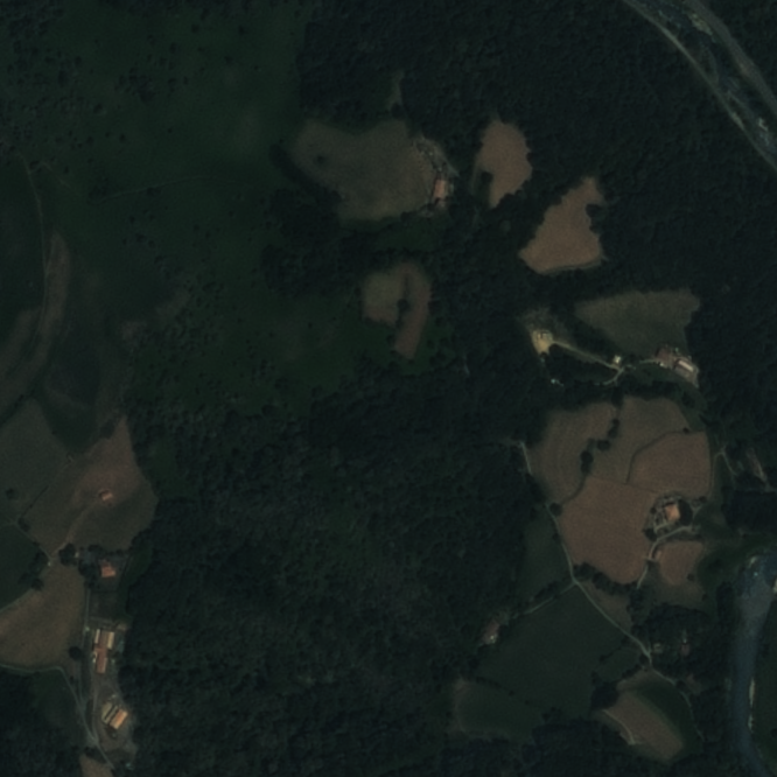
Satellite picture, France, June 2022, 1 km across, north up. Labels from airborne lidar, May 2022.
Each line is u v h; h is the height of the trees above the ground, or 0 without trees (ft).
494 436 87
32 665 0
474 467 54
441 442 63
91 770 0
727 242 75
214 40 0
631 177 56
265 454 67
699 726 25
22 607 0
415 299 0
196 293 26
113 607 0
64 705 0
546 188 30
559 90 67
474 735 0
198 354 31
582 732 89
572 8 89
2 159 31
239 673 84
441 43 49
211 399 0
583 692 0
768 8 38
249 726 62
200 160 0
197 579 103
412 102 66
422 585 36
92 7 0
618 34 93
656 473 0
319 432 70
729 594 86
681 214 41
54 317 0
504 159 0
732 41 0
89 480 0
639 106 66
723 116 52
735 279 40
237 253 0
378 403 97
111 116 0
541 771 72
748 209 73
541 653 0
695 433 0
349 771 67
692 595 0
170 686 65
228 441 74
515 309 92
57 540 0
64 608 0
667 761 0
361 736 65
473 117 28
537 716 0
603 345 59
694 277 78
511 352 90
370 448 50
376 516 44
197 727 43
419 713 58
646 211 54
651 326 0
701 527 0
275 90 0
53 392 0
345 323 0
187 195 0
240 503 30
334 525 0
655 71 73
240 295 0
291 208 39
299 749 84
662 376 0
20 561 0
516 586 80
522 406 65
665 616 52
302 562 40
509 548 91
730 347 83
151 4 62
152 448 52
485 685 36
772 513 49
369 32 79
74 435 0
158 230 0
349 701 77
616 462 0
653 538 38
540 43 47
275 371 42
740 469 0
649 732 0
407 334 0
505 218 57
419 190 0
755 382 42
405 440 57
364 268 62
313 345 0
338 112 65
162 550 83
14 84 24
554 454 0
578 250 0
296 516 28
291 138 0
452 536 47
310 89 37
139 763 39
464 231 73
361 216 0
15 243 0
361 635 54
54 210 0
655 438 0
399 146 0
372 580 30
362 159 0
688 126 73
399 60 61
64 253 0
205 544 89
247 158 0
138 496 0
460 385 77
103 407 0
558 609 0
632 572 0
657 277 77
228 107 0
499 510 70
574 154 67
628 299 0
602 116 54
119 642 0
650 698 0
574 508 0
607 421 0
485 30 81
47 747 39
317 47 48
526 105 70
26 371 0
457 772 65
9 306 0
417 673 63
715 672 56
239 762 56
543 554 0
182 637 63
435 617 27
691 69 35
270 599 77
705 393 51
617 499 0
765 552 0
